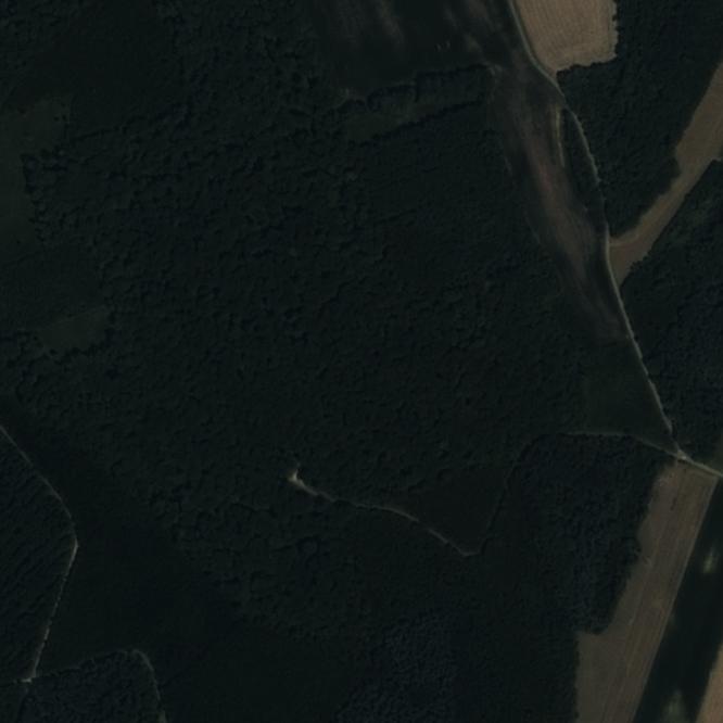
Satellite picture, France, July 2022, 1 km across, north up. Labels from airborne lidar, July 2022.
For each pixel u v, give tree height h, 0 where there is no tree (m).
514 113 0
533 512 20
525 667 19
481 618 16
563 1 0
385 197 16
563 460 27
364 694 26
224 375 30
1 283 8
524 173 0
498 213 16
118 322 25
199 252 29
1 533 18
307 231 29
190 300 29
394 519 16
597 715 0
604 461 22
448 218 18
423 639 24
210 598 13
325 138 31
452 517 16
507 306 26
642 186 23
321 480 28
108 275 25
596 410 0
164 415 32
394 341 31
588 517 27
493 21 0
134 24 14
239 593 31
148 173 14
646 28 20
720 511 0
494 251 16
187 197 24
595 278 0
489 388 27
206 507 30
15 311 8
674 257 9
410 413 28
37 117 0
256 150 22
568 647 19
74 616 9
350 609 27
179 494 18
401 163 20
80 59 14
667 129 26
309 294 27
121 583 8
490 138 19
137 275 21
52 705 30
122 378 28
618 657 0
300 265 27
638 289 12
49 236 20
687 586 0
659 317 13
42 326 7
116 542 12
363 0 0
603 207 15
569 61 0
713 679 0
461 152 17
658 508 0
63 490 15
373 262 30
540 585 18
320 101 30
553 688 16
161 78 13
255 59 23
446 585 17
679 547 0
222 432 28
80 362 27
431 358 31
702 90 26
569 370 27
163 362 29
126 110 11
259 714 13
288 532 32
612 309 0
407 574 16
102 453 27
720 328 25
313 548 31
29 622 18
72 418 26
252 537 32
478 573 16
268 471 29
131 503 8
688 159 0
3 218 0
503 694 18
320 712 15
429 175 20
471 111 19
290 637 13
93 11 13
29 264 8
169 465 25
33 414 6
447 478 25
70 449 13
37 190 30
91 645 9
